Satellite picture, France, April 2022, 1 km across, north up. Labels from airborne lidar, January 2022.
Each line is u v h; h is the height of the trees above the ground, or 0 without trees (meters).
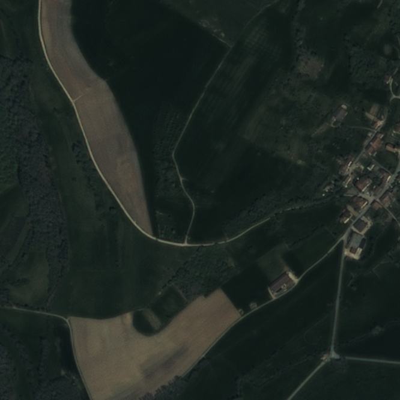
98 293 0
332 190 9
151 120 0
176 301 0
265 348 0
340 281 0
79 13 0
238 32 0
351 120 0
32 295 0
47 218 21
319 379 0
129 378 0
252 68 0
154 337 0
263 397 0
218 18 0
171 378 0
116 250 0
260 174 0
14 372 20
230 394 0
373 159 0
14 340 20
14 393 20
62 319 0
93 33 0
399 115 0
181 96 0
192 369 0
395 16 18
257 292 0
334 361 14
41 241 22
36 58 0
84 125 0
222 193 0
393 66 9
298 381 0
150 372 0
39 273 0
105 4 0
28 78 22
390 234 0
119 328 0
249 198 0
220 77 0
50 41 0
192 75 0
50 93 0
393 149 0
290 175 0
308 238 9
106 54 0
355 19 0
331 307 0
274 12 0
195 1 0
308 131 0
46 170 28
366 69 10
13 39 0
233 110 0
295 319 0
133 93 0
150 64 0
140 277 0
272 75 0
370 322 0
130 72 0
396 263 8
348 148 0
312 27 0
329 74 0
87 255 0
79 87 0
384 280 0
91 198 0
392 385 0
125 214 0
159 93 0
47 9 0
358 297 0
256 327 0
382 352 0
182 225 0
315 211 0
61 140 0
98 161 0
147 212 0
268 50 0
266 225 7
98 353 0
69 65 0
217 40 0
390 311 0
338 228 0
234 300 0
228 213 0
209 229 0
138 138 0
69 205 0
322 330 0
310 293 0
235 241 0
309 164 0
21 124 19
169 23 0
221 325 0
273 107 0
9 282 8
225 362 0
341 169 0
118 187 0
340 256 0
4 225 0
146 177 0
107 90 0
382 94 0
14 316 0
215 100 0
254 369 13
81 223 0
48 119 0
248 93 0
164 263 0
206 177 0
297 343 0
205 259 9
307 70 18
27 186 21
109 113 0
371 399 0
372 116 0
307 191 0
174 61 0
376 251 0
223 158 0
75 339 0
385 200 0
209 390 0
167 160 0
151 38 0
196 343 0
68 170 0
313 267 0
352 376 0
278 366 0
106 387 0
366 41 0
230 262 0
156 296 0
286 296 0
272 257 0
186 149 0
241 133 0
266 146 0
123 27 0
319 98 0
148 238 0
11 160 21
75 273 0
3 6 0
